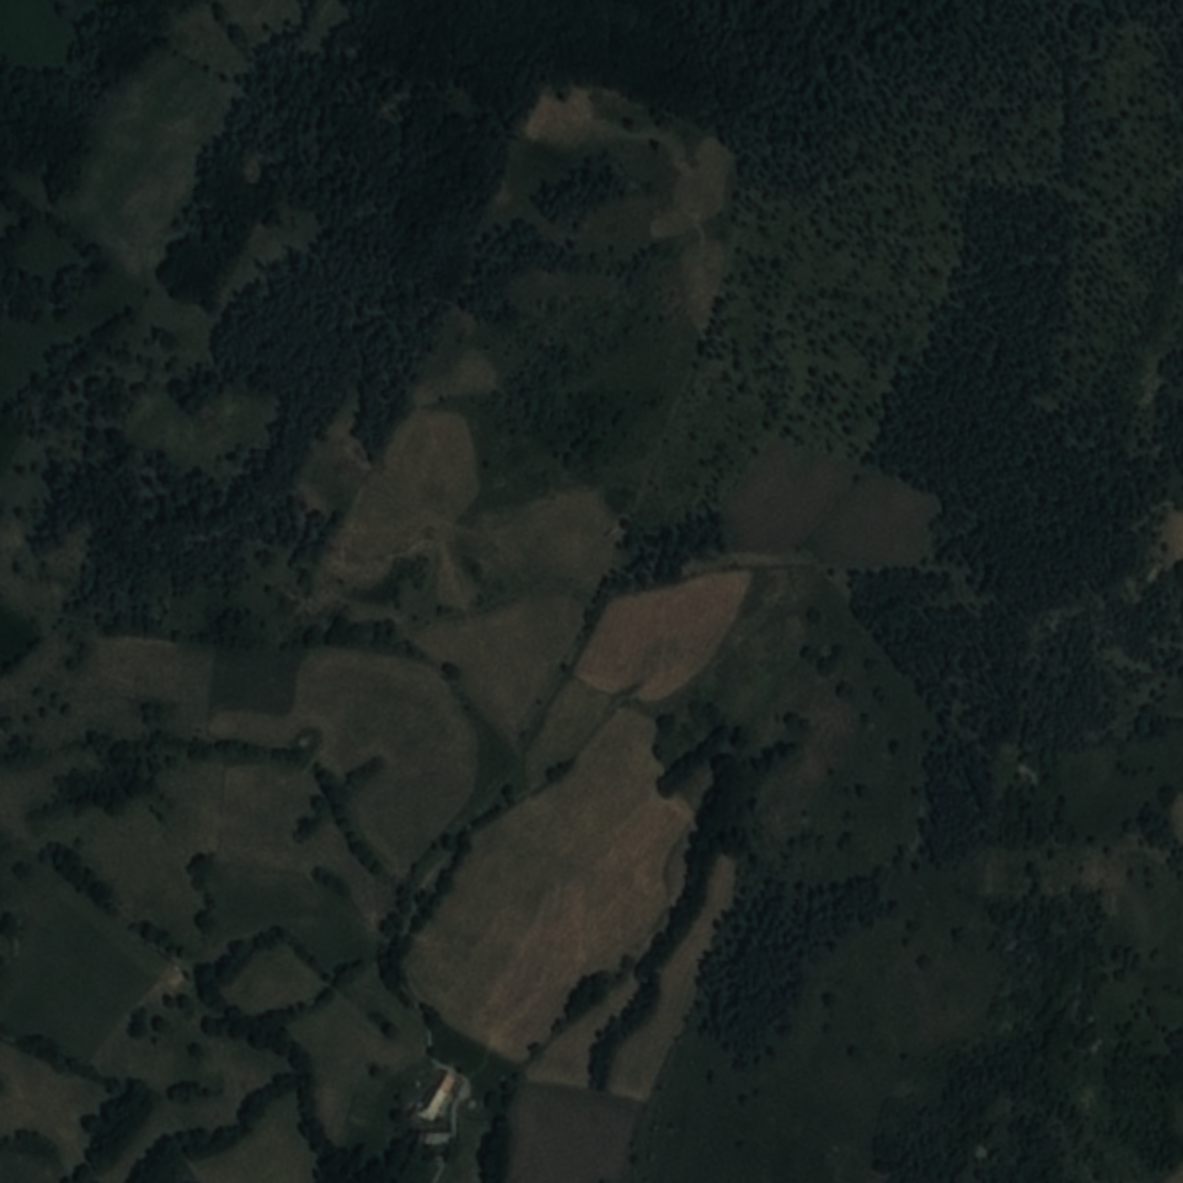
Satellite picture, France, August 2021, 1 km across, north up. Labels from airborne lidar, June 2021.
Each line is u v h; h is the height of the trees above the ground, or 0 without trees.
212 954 0
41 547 13
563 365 7
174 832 0
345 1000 0
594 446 13
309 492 0
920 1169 14
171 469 10
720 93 14
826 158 11
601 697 0
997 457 18
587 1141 0
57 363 14
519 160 0
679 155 0
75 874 17
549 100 0
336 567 0
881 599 16
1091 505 17
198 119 0
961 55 11
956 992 0
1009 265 17
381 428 12
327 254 9
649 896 0
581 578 0
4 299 13
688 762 12
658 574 9
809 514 0
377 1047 0
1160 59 15
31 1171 0
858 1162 0
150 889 0
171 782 0
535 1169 0
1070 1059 10
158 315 0
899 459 17
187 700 0
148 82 0
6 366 0
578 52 18
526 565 0
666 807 0
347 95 9
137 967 0
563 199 16
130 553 6
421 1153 12
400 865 0
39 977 0
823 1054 0
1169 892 0
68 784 9
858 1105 0
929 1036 0
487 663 0
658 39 15
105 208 0
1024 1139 7
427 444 0
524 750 0
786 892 8
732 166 0
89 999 0
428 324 11
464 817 0
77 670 8
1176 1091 16
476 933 0
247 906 0
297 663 0
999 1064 7
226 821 0
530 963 0
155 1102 12
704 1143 0
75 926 0
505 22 12
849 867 0
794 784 0
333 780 13
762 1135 0
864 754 0
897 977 0
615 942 0
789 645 0
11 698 0
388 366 11
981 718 14
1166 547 9
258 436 0
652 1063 0
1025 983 9
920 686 11
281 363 18
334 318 18
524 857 0
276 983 0
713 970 13
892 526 0
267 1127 0
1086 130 11
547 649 0
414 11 9
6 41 0
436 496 0
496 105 18
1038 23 13
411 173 13
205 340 0
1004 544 21
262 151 14
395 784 0
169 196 0
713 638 0
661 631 0
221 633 7
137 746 9
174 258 15
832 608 0
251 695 0
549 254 11
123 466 15
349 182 12
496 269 6
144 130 0
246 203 18
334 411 6
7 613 0
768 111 14
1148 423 6
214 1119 0
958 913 0
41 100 17
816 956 7
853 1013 0
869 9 22
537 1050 9
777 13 15
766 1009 13
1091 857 0
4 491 0
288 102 18
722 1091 0
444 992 0
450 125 18
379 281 7
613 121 0
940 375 20
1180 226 11
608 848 0
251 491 15
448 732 0
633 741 0
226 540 6
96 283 12
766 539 0
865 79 14
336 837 0
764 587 0
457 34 13
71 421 9
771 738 0
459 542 0
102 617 10
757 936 14
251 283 0
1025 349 14
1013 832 10
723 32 14
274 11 0
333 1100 0
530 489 0
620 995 0
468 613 0
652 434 0
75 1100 0
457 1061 0
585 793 0
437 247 12
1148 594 9
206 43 0
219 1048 0
